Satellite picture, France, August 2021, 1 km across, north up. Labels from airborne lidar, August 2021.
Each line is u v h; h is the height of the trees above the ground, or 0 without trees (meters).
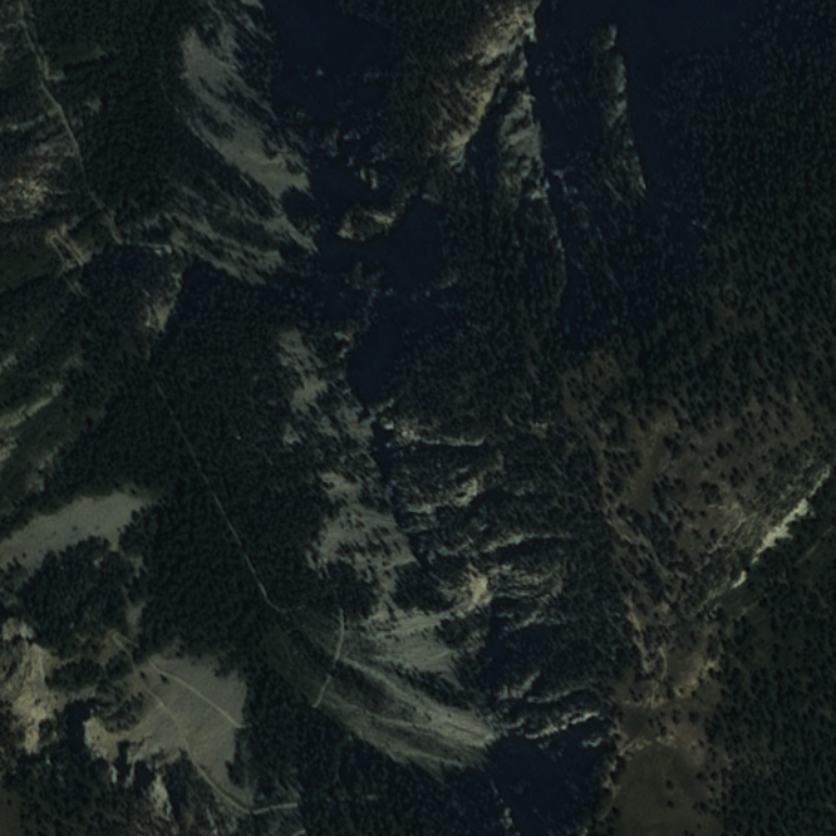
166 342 7
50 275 7
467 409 7
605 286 11
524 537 6
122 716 7
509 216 7
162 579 13
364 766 8
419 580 7
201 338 17
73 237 13
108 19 16
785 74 13
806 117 12
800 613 19
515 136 0
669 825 0
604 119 8
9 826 0
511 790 10
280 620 8
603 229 6
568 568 10
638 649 9
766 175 13
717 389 10
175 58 8
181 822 13
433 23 12
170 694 0
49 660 0
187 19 8
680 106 14
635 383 8
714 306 13
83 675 7
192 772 10
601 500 14
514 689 7
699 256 11
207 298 14
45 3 11
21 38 11
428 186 9
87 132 11
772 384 10
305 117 6
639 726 0
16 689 0
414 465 10
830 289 11
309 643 8
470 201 12
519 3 5
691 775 0
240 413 17
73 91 14
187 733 0
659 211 8
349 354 7
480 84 11
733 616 0
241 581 8
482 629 6
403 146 10
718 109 13
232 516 14
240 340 16
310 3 16
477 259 11
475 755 0
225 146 0
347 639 0
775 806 19
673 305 9
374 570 9
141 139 7
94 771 9
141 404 18
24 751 12
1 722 8
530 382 12
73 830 8
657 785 0
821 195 13
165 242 10
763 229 17
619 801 0
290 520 15
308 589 14
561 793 8
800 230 16
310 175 0
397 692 0
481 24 8
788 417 12
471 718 0
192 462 9
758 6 8
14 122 6
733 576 14
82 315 13
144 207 14
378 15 10
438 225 7
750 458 0
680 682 0
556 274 16
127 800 12
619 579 10
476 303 7
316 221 7
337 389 12
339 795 7
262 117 7
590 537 10
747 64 9
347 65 8
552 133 0
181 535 21
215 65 0
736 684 17
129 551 15
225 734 0
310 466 6
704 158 14
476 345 9
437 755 0
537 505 9
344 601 13
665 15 0
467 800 10
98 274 11
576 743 10
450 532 6
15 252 11
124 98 16
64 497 15
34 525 0
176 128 8
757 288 12
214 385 14
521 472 12
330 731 12
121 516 0
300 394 0
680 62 12
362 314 7
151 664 0
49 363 8
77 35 14
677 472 0
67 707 7
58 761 7
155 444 17
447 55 8
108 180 15
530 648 7
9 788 9
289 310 14
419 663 0
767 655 0
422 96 14
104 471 19
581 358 8
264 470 17
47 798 10
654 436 0
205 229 0
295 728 10
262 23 14
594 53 9
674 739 0
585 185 6
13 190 9
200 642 15
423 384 8
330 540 0
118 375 11
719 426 7
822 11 15
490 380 6
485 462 12
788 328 18
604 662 12
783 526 0
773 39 15
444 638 12
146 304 11
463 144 0
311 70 7
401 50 11
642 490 0
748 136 9
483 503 5
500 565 7
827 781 17
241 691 0
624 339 10
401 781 12
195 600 18
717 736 13
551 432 7
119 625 9
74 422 10
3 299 11
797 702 26
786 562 16
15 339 12
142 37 18
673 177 7
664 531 6
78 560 11
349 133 7
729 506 0
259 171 0
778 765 7
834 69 8
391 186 7
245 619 15
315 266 10
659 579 9
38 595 14
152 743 0
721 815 8
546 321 12
